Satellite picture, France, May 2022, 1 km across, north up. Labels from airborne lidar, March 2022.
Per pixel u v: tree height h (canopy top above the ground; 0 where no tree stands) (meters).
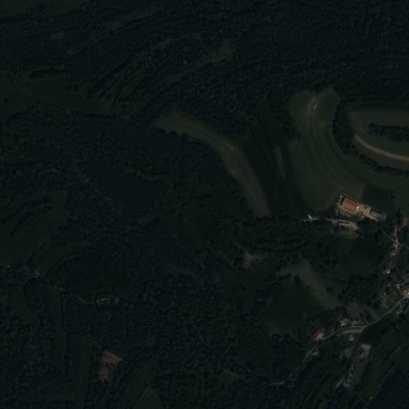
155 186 20
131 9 27
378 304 14
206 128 0
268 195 0
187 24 20
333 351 0
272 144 13
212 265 28
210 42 33
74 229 18
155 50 0
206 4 25
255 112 13
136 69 14
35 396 28
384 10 31
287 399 27
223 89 7
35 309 24
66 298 15
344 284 10
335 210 0
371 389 0
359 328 0
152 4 23
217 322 9
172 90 14
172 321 19
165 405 26
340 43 23
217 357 36
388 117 0
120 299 7
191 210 0
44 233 0
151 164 10
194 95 9
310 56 19
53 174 23
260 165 0
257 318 30
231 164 0
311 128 0
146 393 0
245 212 13
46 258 0
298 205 0
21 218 0
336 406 14
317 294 0
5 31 27
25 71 13
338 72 22
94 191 22
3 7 0
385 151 0
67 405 20
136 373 13
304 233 19
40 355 22
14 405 30
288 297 0
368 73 8
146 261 14
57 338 0
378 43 29
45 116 13
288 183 0
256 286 0
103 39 7
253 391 22
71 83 0
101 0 25
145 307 29
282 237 16
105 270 20
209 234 0
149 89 18
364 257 0
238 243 0
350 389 0
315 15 27
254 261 31
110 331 27
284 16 31
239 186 17
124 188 20
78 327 8
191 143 25
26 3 0
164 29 26
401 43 25
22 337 25
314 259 19
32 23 25
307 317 0
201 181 24
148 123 24
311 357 0
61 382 30
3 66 16
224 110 12
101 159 21
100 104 0
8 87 0
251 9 7
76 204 27
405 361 0
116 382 6
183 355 34
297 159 0
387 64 26
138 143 22
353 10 17
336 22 34
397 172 14
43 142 20
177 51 19
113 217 24
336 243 0
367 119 0
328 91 0
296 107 0
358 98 12
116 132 19
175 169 24
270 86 17
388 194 0
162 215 0
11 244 0
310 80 24
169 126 0
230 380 0
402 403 19
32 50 14
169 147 29
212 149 8
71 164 27
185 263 29
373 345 0
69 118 19
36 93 0
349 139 16
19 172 25
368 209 0
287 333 0
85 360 0
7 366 15
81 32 15
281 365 20
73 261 9
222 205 0
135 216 22
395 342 0
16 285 29
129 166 24
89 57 17
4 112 0
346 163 0
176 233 0
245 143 0
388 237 10
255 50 25
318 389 14
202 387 20
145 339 21
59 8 0
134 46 18
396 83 14
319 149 0
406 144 0
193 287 42
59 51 16
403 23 22
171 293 20
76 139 19
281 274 0
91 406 11
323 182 0
